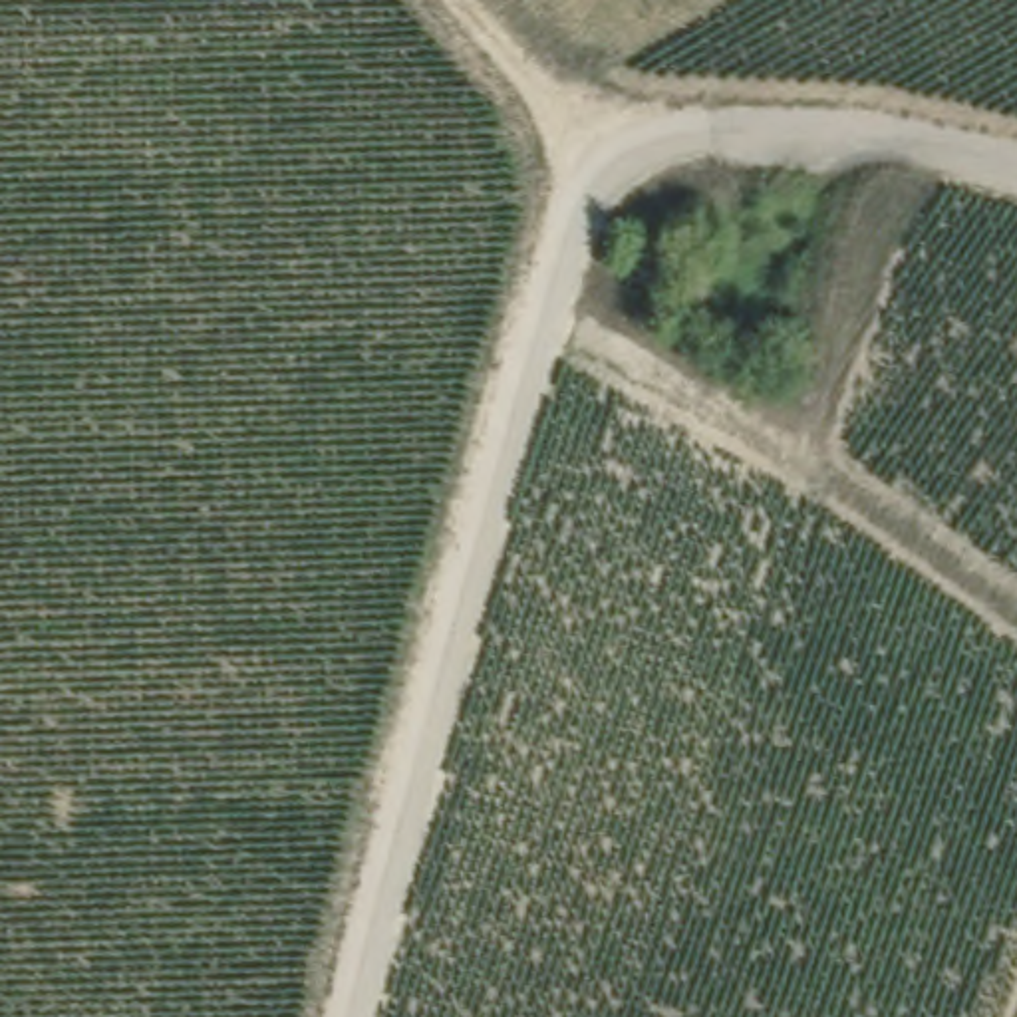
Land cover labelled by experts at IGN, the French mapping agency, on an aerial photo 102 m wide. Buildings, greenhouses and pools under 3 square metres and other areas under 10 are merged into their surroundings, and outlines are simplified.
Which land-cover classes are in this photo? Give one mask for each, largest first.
<instances>
[{"label":"vineyard","instance_id":"1","mask_svg":"<svg viewBox=\"0 0 1017 1017\"><path fill-rule=\"evenodd\" d=\"M524 215L516 207L512 151L501 143L497 103L421 28L405 0H0V1017H326L346 918L362 886V866L373 830L369 767L381 747V731L389 727L401 699L405 663L417 644L413 612L441 556L445 512L461 481L469 425L485 389V373L497 369L501 310L512 286L505 282V266L516 258ZM628 68L652 75L878 83L1017 119V0H723L707 16L632 52ZM882 362L874 365L870 397L854 401L850 409V457L882 481H910L914 497L930 501V509L949 528L965 532L985 556L1017 572V191L985 195L938 179L902 230V266L894 270V290L882 306L878 326ZM596 377L564 365L560 358L552 362V389L540 397L505 505L509 536L497 556L485 612L477 624V663L461 691L441 763L445 791L437 799L429 834L413 866V882L405 890V930L385 977V1005L377 1009V1017H1017V632L993 636L969 608L926 584L914 568L890 560L854 524H846L814 501L787 497V489L775 477L751 473L747 481H739L735 473L711 469L707 461H691V441L683 425H624L616 409L624 393L608 389L600 397Z\"/></svg>","mask_w":1017,"mask_h":1017},{"label":"impervious surface","instance_id":"2","mask_svg":"<svg viewBox=\"0 0 1017 1017\"><path fill-rule=\"evenodd\" d=\"M528 103L552 171V195L536 234V254L512 286L501 310L497 369L485 373V389L469 425L461 481L445 512L441 556L413 612L417 644L405 663L401 699L389 727L381 731V747L369 767L373 830L362 866V886L346 918L326 1017H377V1009L385 1005V977L405 930V890L413 882V866L429 834L437 799L445 791L441 763L461 691L477 663V624L485 612L497 556L509 536L505 505L540 397L552 389V362L560 358L592 262L588 203L616 207L632 191L671 175L675 167L699 159H727L747 167L779 163L806 167L818 175L842 171L862 159H906L914 167L934 171L938 179L985 195L1017 191V143L878 111H667L659 103H620L608 95L576 79H556L497 20L473 36Z\"/></svg>","mask_w":1017,"mask_h":1017},{"label":"pervious surface","instance_id":"3","mask_svg":"<svg viewBox=\"0 0 1017 1017\"><path fill-rule=\"evenodd\" d=\"M445 12L473 36L497 20L481 0H441ZM616 83V91L608 95L620 103H659L667 111H878L1017 143V119L878 83L652 75L628 68L608 72ZM564 365L596 377L600 397L608 389L624 393L616 409L624 425H683L691 441V461H707L711 469L735 473L739 481H747L751 473L775 477L787 489V497L814 501L846 524H854L890 560L914 568L926 584L969 608L993 636L1017 632V572L985 556L965 532L949 528L930 509V501L914 497L910 481H882L850 457V409L854 401L870 397L874 365L882 362L878 326L870 322L862 330V346L846 369L838 401L814 385L799 405L775 401L751 409L719 385L695 381L671 358L652 354L628 334L608 330L604 322L576 310L560 358Z\"/></svg>","mask_w":1017,"mask_h":1017},{"label":"herbaceous vegetation","instance_id":"4","mask_svg":"<svg viewBox=\"0 0 1017 1017\"><path fill-rule=\"evenodd\" d=\"M421 28L497 103L501 143L512 151L516 207L524 215L516 258L505 266V282L512 286L536 254V234L552 195V171L528 103L473 36L445 12L441 0H405ZM497 20L556 79H576L608 95L616 91V83L608 72L628 68L632 52L707 16L723 0H481ZM671 175L707 195L715 207H731L735 199L739 207H751L763 195H806L814 203L806 234L818 242L834 238V274L822 290V314L814 322L818 334L810 346L814 385L838 401L846 369L862 346V330L870 322L878 326L882 306L894 290V270L902 266V230L938 179L934 171L914 167L906 159H862L842 171L818 175L806 167L779 163L747 167L727 159H699L675 167ZM628 218L616 207L588 203L592 262L576 310L604 322L608 330L628 334L624 314L616 310V290L624 278L612 270V246L616 230Z\"/></svg>","mask_w":1017,"mask_h":1017},{"label":"brushwood","instance_id":"5","mask_svg":"<svg viewBox=\"0 0 1017 1017\"><path fill-rule=\"evenodd\" d=\"M616 207L628 218L616 230L612 246V270L624 278L616 290V310L624 314L628 334L652 354L671 358L695 381L719 385L751 409L775 401L799 405L814 385L810 346L818 334L814 322L822 314V290L834 274V238L818 242L806 234L814 203L806 195H763L751 207H739L735 199L731 207H715L707 195L671 175L632 191Z\"/></svg>","mask_w":1017,"mask_h":1017}]
</instances>
